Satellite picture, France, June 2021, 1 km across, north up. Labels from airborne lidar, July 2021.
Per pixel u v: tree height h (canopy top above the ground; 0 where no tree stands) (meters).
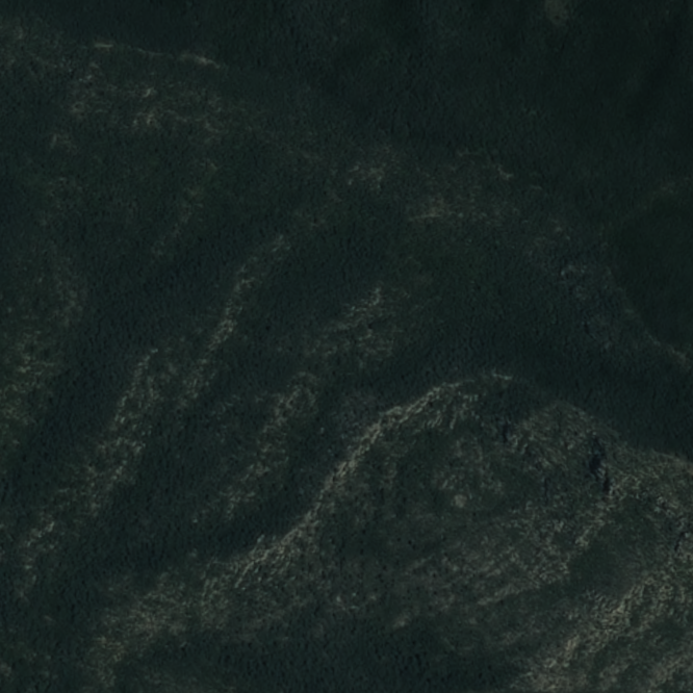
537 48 9
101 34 10
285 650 6
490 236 7
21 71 7
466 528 7
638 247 11
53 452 6
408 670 15
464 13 10
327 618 6
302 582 13
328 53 9
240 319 6
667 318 16
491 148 9
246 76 7
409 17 13
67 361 9
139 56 6
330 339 7
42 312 6
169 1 12
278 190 9
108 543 10
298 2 8
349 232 8
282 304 6
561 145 10
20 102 9
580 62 6
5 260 8
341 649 7
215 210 8
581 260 7
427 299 6
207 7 9
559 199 6
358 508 6
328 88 9
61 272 6
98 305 8
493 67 13
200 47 8
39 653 6
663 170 9
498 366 10
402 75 13
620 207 7
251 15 13
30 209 8
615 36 9
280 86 7
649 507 10
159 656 5
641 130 11
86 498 8
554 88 10
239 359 6
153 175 6
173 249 6
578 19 8
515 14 10
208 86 6
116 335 7
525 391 6
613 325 5
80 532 6
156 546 17
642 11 9
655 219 11
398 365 8
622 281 10
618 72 8
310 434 7
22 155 9
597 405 8
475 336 9
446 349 8
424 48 11
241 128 6
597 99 10
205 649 9
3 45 7
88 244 9
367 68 10
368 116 9
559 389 7
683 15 9
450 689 7
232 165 7
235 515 10
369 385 7
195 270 7
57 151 6
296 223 6
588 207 9
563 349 10
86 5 9
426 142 7
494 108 8
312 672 7
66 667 10
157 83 8
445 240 8
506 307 9
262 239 6
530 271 7
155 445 6
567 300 9
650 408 7
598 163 8
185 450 11
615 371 10
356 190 10
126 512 12
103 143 6
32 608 10
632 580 0
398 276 8
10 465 7
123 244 7
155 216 6
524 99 10
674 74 9
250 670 9
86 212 8
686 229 9
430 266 7
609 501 9
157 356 6
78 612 12
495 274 10
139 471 7
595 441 7
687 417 10
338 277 6
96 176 6
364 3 8
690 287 11
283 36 10
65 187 10
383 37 10
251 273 6
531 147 13
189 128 6
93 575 10
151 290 7
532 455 7
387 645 11
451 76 10
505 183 6
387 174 6
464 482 6
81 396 6
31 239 7
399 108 13
